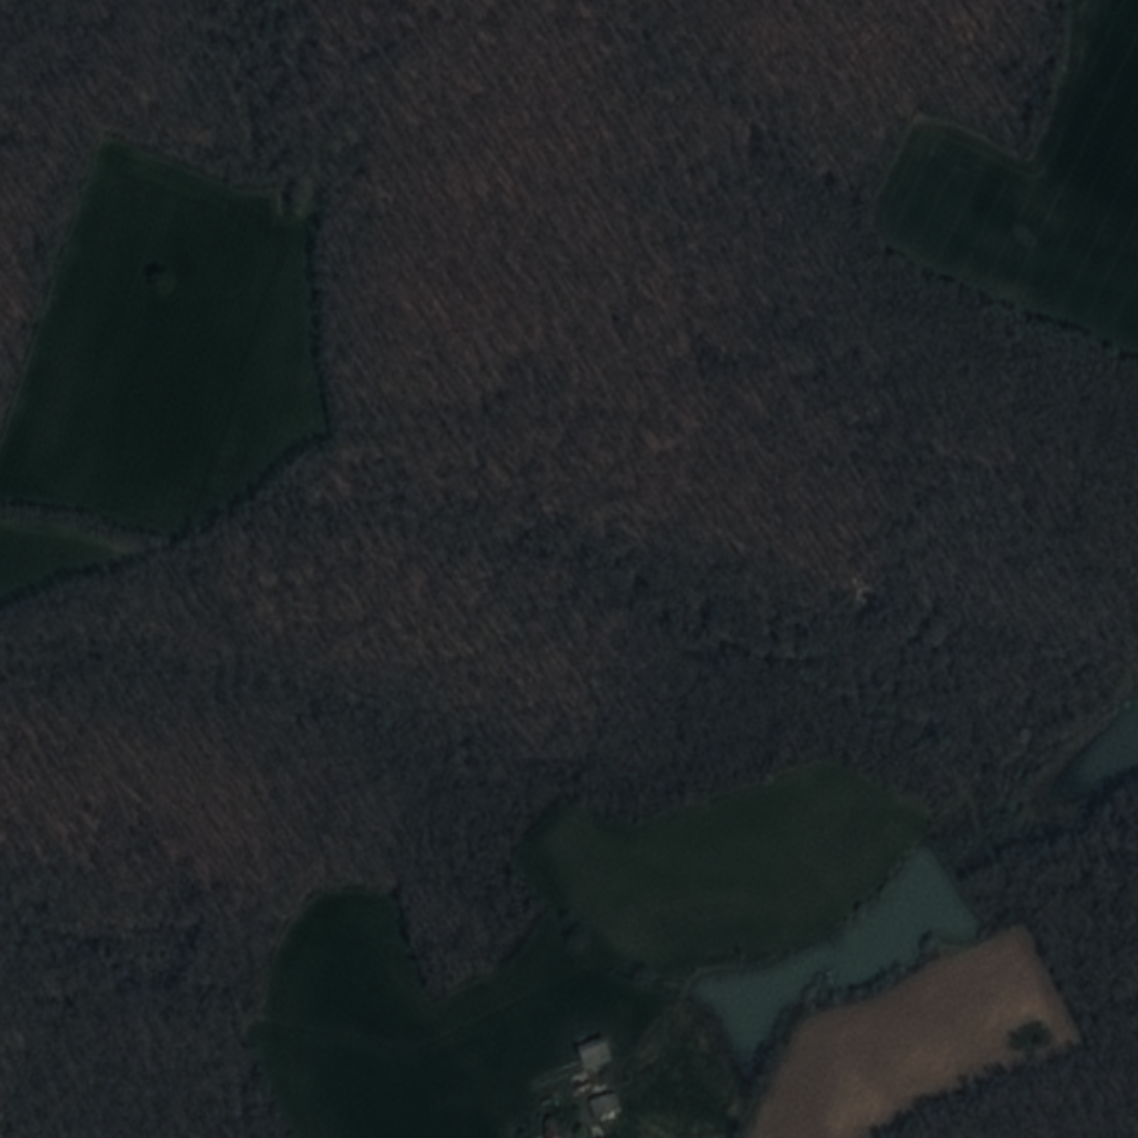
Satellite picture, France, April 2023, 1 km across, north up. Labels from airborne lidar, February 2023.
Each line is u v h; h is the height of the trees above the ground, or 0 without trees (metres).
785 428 23
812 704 18
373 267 24
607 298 25
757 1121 0
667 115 25
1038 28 25
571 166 23
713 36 25
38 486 0
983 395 25
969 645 21
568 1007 0
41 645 21
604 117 26
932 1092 0
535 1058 0
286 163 22
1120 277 0
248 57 24
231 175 23
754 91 21
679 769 24
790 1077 0
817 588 23
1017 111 21
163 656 22
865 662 23
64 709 28
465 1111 0
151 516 0
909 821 0
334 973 0
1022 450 24
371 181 25
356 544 23
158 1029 25
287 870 23
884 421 22
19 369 20
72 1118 21
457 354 23
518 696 22
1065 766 0
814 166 23
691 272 21
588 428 18
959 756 24
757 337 24
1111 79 0
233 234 0
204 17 22
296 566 21
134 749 24
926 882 0
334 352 20
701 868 0
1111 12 0
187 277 0
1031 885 15
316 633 14
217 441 0
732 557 19
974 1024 0
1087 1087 23
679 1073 0
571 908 0
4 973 23
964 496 21
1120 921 17
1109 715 14
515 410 24
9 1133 16
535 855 0
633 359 16
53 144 29
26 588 0
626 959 0
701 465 22
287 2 22
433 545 24
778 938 0
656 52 25
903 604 20
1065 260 0
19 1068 21
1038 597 23
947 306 21
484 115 25
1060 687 22
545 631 22
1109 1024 18
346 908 0
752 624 23
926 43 21
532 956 0
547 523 24
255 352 0
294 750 21
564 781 21
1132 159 0
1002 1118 15
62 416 0
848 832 0
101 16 24
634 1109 0
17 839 24
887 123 23
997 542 25
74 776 24
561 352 22
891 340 21
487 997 0
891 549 21
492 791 21
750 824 0
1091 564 25
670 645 26
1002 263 0
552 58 19
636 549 19
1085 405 17
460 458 24
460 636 24
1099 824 22
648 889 0
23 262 26
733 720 25
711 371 23
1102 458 19
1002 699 21
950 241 0
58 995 15
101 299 0
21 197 28
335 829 24
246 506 18
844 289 25
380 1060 0
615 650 22
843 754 18
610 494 20
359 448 22
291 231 0
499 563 24
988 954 0
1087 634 26
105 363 0
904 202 0
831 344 23
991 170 0
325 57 23
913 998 0
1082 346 24
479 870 20
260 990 13
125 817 14
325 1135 0
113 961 10
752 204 24
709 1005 0
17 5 26
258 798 25
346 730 23
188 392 0
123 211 0
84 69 27
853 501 25
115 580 17
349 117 27
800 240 24
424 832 22
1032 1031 0
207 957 19
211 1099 12
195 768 24
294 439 0
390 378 25
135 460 0
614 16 27
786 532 26
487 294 23
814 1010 0
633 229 21
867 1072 0
